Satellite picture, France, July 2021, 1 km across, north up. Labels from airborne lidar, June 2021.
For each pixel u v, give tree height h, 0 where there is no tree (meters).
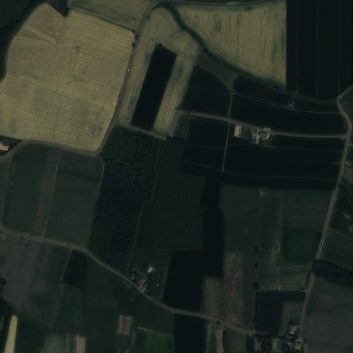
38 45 0
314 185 0
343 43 0
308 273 0
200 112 0
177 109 0
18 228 0
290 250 0
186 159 0
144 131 0
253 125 0
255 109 0
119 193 19
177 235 6
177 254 0
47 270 0
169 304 0
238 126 0
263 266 0
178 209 7
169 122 0
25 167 0
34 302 0
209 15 0
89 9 0
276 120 0
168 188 7
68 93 0
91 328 0
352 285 16
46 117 0
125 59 0
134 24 0
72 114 0
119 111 0
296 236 0
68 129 0
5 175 0
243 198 0
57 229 0
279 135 0
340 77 0
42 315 0
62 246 0
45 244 0
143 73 0
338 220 0
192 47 0
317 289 0
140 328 0
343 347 0
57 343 0
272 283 0
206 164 0
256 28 0
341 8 0
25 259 0
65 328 0
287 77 0
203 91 0
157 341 0
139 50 0
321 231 0
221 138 0
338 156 0
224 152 0
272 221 0
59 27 0
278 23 0
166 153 6
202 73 0
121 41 0
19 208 0
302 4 0
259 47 0
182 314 0
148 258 0
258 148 0
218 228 0
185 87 0
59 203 0
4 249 0
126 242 21
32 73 0
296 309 0
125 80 0
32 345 0
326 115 0
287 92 0
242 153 0
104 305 0
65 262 0
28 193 0
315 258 0
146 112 0
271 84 0
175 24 0
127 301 0
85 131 0
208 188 0
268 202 0
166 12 0
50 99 0
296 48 0
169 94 0
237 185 0
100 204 15
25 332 0
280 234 0
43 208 0
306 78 0
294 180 0
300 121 0
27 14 0
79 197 0
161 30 0
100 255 0
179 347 0
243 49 0
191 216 6
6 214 0
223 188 0
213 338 0
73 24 0
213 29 0
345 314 0
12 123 0
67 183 0
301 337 0
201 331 0
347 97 0
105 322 0
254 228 0
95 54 0
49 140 0
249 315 0
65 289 0
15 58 0
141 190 16
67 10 11
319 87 0
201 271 0
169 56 0
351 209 0
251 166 0
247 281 0
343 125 0
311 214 0
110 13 0
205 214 0
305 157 0
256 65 0
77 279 7
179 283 0
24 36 0
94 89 0
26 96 0
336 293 0
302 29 0
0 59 0
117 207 18
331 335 0
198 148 0
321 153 0
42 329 0
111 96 0
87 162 0
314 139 0
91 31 0
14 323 0
